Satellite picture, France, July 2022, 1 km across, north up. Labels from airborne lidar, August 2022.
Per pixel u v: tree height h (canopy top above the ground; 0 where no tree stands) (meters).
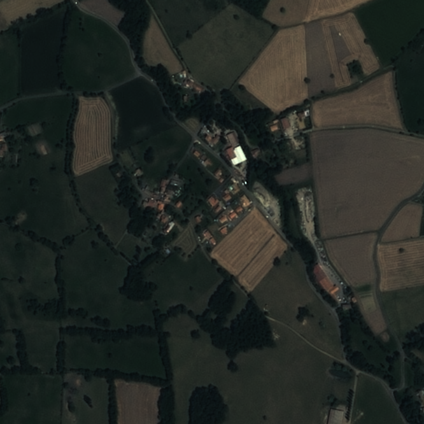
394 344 0
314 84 0
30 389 0
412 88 0
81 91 0
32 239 15
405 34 0
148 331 17
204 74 0
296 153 0
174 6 0
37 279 0
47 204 0
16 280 0
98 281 0
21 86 0
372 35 0
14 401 0
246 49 0
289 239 21
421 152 0
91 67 0
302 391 0
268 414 0
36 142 0
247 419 0
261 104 0
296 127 0
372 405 0
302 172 0
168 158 0
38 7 0
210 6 0
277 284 0
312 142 0
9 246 0
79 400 0
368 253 0
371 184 0
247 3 12
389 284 0
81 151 0
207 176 0
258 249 0
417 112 0
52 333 0
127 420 0
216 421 13
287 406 0
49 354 0
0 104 0
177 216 9
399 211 0
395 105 0
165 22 0
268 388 0
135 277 15
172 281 0
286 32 0
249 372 0
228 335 21
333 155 0
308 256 12
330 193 0
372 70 0
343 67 0
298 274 0
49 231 0
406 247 0
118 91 0
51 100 0
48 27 0
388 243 0
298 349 0
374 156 0
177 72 0
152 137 0
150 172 0
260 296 0
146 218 13
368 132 0
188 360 0
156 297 0
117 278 0
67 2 18
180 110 20
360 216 0
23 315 0
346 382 0
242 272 0
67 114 0
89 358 0
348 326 21
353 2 0
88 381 15
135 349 0
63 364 14
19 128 11
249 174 17
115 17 0
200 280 0
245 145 8
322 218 0
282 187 6
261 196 0
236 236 0
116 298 0
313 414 0
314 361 0
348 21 0
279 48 0
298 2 0
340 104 0
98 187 0
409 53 0
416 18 0
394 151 0
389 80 0
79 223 0
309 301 0
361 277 0
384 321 0
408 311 0
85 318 8
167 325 0
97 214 0
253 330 17
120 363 0
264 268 0
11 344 0
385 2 0
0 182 0
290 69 0
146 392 0
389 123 0
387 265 0
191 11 0
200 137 7
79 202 9
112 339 11
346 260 0
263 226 0
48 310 9
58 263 12
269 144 21
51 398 0
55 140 0
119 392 0
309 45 0
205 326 18
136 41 9
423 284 0
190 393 0
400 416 0
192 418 17
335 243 0
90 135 0
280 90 0
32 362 0
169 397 15
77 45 0
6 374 16
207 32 0
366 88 0
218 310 17
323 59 0
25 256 0
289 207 14
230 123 32
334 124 0
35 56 0
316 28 0
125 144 0
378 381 0
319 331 0
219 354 0
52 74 0
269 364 0
